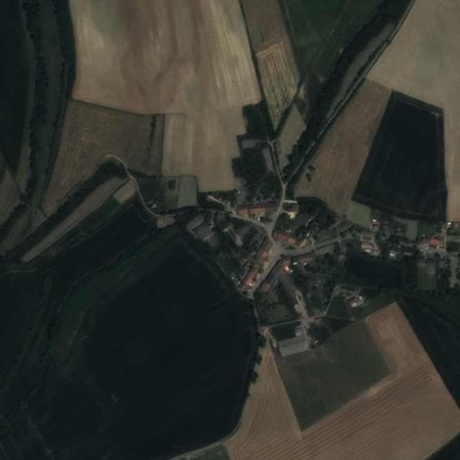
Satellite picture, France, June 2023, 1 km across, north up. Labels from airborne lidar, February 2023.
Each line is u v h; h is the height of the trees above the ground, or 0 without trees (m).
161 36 0
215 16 0
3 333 0
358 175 0
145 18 0
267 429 0
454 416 0
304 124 0
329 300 11
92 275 6
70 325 0
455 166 0
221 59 0
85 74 0
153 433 0
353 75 0
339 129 0
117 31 0
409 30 0
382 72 0
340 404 0
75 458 0
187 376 0
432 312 0
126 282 0
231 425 0
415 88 0
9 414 0
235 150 0
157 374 0
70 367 0
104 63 0
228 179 0
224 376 0
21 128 0
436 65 0
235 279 0
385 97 0
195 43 0
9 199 0
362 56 0
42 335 0
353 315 0
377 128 0
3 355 0
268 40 0
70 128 0
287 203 0
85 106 0
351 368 0
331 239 0
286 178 16
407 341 0
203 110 0
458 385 0
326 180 0
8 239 0
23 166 0
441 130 0
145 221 0
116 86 0
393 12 0
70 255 0
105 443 0
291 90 0
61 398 0
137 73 0
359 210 0
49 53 0
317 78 0
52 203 0
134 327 0
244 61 0
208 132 0
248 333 0
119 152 0
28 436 0
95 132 0
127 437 0
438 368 0
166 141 0
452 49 0
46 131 0
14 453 0
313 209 15
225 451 0
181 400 0
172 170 0
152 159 0
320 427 0
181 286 0
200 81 0
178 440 0
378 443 0
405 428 0
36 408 0
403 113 0
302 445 0
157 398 0
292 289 0
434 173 0
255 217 0
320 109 16
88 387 0
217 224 10
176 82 0
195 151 0
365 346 0
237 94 0
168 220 0
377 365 0
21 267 0
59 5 14
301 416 0
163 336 0
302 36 0
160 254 0
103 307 0
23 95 0
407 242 15
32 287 0
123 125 0
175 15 0
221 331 0
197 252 0
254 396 0
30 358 0
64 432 0
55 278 0
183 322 0
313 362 0
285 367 0
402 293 0
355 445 0
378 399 0
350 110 0
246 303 0
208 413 0
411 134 0
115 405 0
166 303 0
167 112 0
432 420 0
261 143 0
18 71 0
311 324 0
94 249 0
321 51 0
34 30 24
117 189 0
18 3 0
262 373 0
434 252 0
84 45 0
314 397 0
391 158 0
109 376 0
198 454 0
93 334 0
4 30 0
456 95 0
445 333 0
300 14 0
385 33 0
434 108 0
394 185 0
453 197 0
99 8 0
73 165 0
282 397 0
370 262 0
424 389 0
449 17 0
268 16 0
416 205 0
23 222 0
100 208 0
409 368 0
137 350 0
